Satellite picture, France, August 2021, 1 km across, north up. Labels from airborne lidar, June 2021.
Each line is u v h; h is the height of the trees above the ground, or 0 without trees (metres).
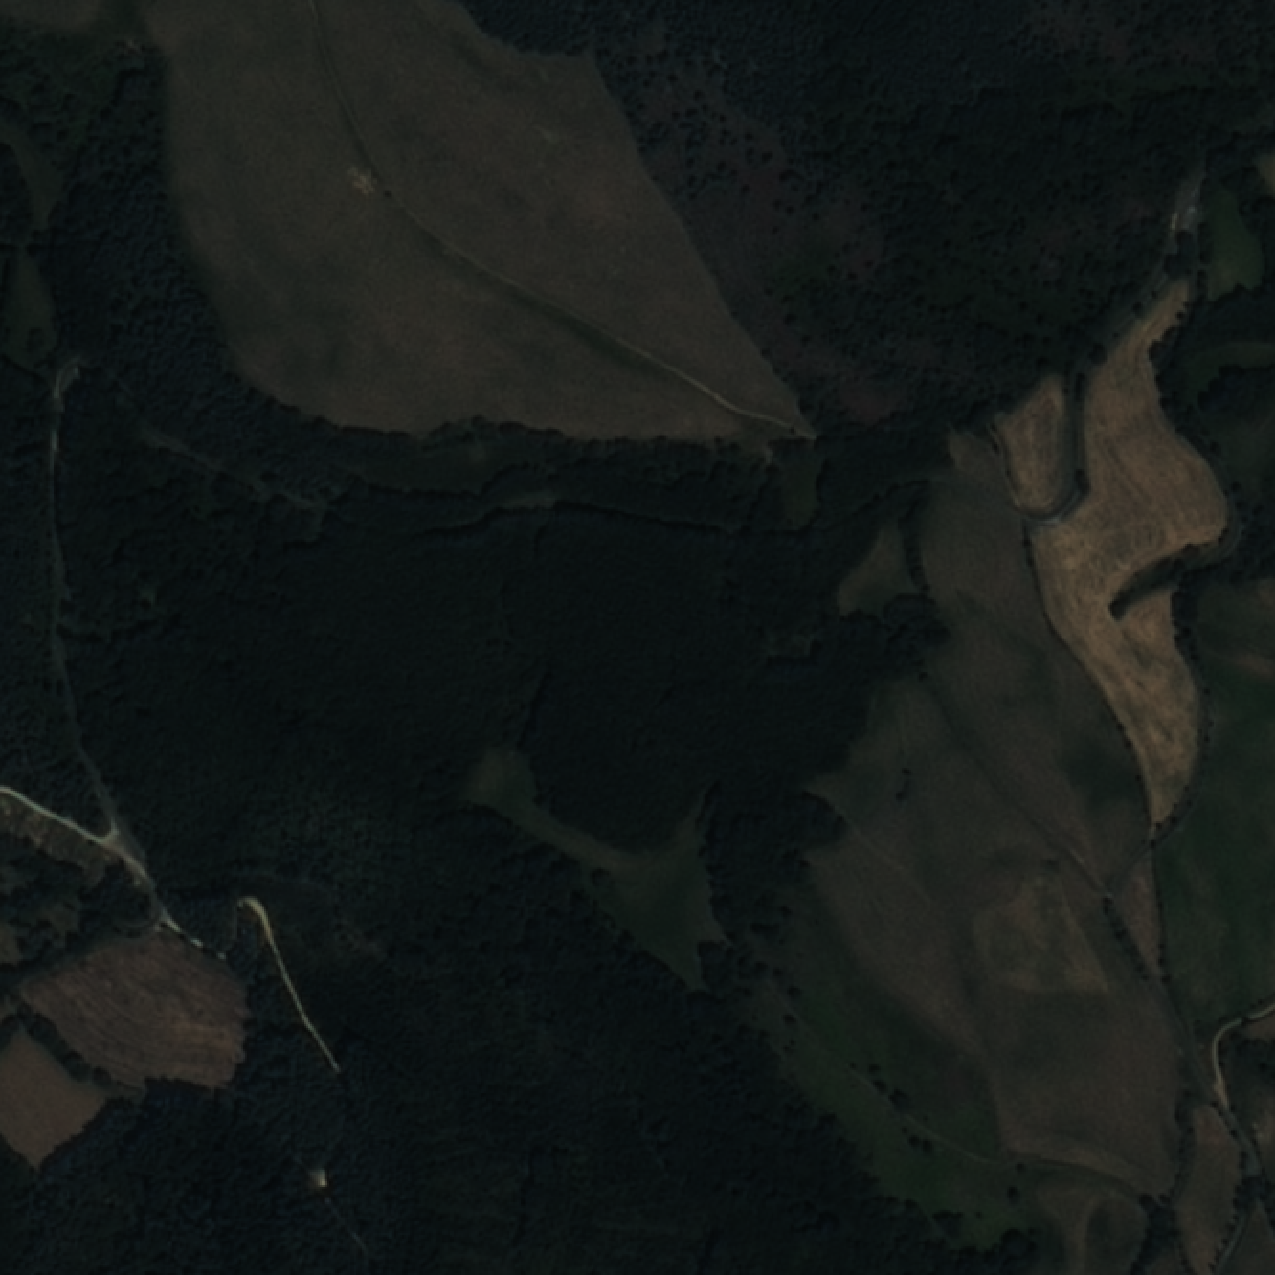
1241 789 0
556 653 22
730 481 7
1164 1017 0
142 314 11
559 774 22
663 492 10
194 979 0
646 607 20
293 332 0
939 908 0
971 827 0
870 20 22
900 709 0
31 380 18
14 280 12
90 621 17
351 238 0
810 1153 28
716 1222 18
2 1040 11
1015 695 0
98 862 0
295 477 12
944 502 0
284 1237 19
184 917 17
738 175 7
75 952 15
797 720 21
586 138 0
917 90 14
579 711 23
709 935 0
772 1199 27
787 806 22
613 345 0
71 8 0
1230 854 0
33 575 22
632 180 0
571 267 0
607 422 0
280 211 0
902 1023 0
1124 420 0
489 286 0
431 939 22
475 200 0
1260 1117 0
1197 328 15
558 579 24
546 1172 18
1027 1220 0
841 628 15
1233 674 0
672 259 0
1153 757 0
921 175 7
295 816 8
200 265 0
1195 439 12
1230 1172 0
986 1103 0
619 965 23
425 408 0
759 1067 20
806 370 0
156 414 12
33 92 8
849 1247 32
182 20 0
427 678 20
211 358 11
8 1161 10
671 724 19
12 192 16
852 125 12
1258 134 8
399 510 18
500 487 13
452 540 19
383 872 9
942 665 0
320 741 29
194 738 16
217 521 13
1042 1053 0
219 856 18
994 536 0
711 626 23
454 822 23
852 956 0
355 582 19
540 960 23
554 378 0
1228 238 0
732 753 25
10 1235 18
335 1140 22
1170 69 8
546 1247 18
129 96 15
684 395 0
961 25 15
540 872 24
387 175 0
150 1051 0
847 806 0
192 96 0
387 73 0
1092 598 0
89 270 18
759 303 0
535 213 0
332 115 0
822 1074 0
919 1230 14
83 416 22
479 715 21
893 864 0
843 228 0
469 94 0
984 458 0
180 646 23
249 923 20
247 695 20
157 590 22
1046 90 17
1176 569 10
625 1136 7
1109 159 20
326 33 0
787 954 0
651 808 23
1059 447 0
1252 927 0
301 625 18
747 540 18
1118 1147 0
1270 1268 0
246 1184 18
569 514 18
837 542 16
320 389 0
